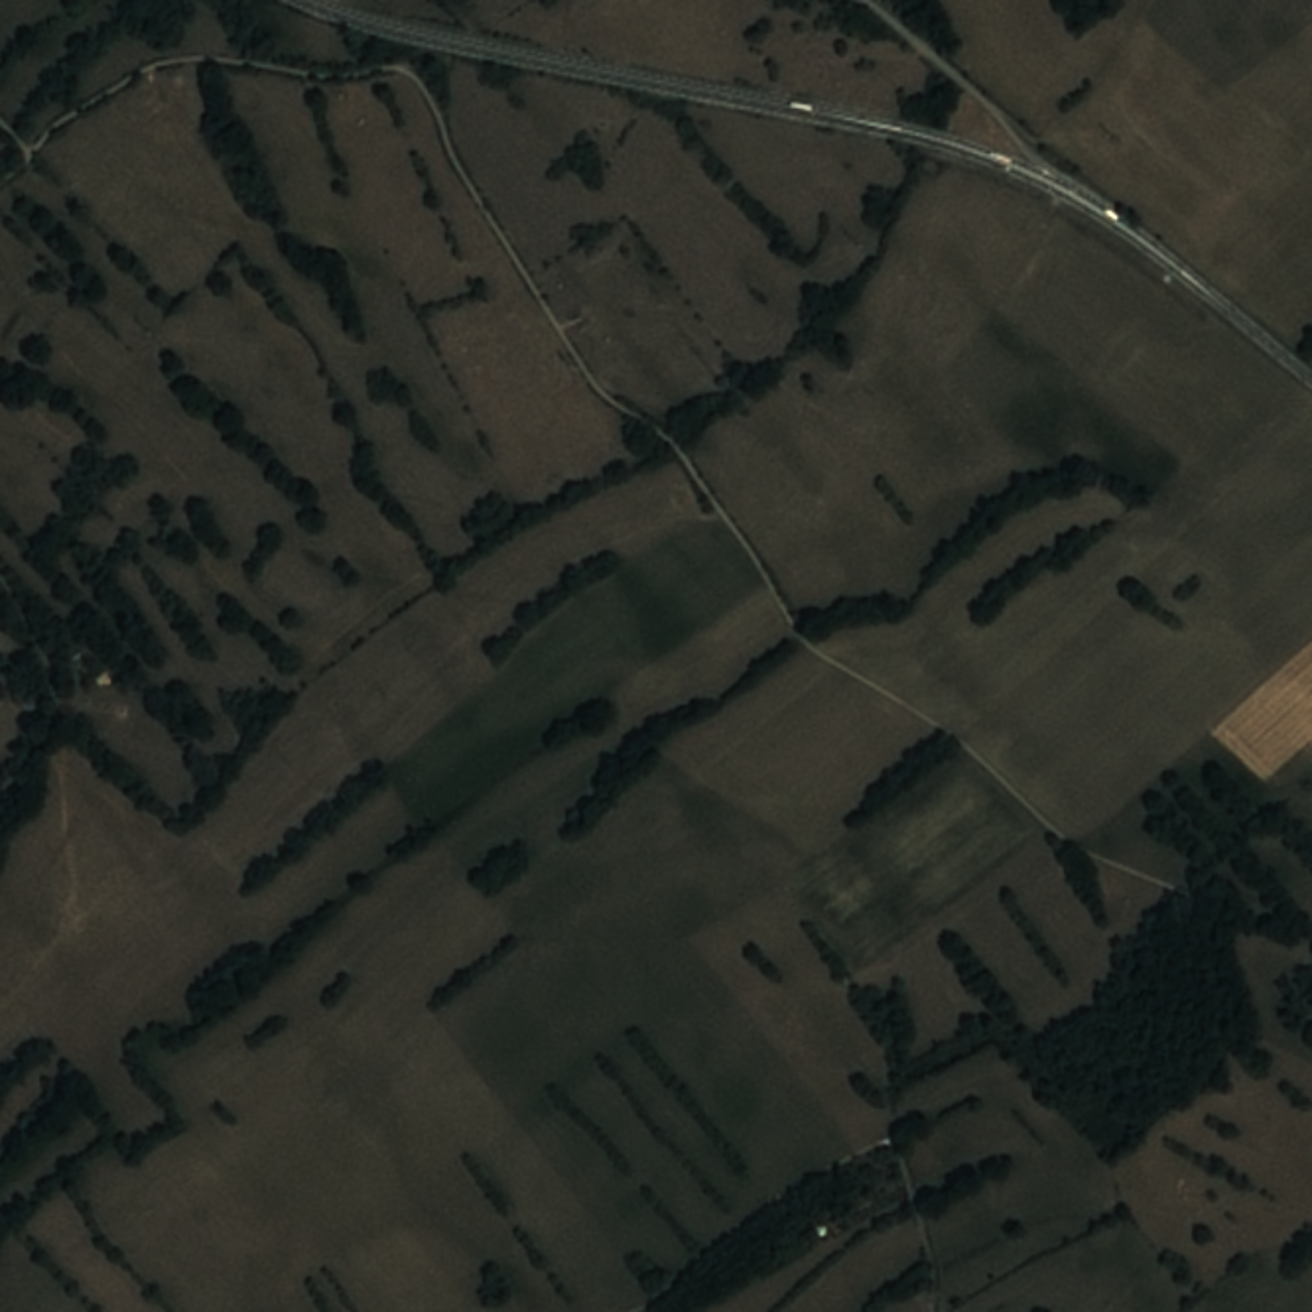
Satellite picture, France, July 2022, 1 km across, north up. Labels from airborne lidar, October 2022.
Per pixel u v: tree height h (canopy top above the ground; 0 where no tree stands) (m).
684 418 9
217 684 0
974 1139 0
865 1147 0
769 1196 0
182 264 0
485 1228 0
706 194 0
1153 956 18
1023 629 0
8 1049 0
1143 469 0
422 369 0
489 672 0
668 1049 0
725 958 0
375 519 0
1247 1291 0
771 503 0
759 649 0
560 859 0
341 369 0
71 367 0
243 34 13
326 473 0
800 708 0
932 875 0
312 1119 0
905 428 0
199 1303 0
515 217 0
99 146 0
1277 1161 0
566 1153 0
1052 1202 0
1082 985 0
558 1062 0
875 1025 7
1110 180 0
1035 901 0
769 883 0
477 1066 0
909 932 0
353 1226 0
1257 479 0
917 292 0
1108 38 0
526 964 0
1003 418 0
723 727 0
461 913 0
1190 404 0
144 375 0
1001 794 0
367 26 0
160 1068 0
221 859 0
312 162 0
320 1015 0
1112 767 0
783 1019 0
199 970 0
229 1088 0
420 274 0
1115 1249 0
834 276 0
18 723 0
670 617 0
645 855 0
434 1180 0
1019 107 0
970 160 0
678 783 0
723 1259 11
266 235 0
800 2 11
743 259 0
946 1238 0
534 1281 0
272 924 0
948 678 0
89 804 0
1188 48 0
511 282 0
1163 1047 15
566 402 0
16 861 0
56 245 18
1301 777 0
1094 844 0
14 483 0
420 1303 0
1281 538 0
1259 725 0
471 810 0
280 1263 0
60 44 0
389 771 17
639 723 0
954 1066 6
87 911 0
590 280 0
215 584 0
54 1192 9
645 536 0
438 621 0
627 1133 0
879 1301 13
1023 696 0
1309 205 0
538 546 0
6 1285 0
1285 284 0
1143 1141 11
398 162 0
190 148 0
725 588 0
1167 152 0
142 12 19
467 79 0
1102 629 0
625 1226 0
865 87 0
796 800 0
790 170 0
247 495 0
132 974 0
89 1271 0
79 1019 0
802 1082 0
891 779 14
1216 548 0
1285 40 0
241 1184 0
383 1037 0
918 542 0
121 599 18
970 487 0
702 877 0
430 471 0
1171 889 0
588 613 0
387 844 0
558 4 7
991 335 0
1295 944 15
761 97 0
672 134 0
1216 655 0
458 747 0
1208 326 0
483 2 0
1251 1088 0
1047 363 0
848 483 0
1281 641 0
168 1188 0
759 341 0
